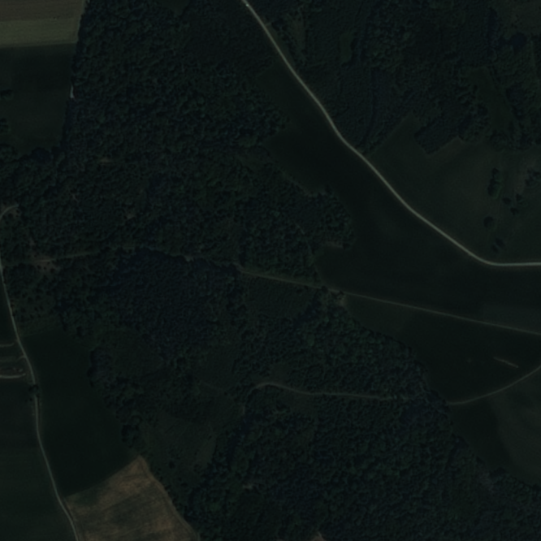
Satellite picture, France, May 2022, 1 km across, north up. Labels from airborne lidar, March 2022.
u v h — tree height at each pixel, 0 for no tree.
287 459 30
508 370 0
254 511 10
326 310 23
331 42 14
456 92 20
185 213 33
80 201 11
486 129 27
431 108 9
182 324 31
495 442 0
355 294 0
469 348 0
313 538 18
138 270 26
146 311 29
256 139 18
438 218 0
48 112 0
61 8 0
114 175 10
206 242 13
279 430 29
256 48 10
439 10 25
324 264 0
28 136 0
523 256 0
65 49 0
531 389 0
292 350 6
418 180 0
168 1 0
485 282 0
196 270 30
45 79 0
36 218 22
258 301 6
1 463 0
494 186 15
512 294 0
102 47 29
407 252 0
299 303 0
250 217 17
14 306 7
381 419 11
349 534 24
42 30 0
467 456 28
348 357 26
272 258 23
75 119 23
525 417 0
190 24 10
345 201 0
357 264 0
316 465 20
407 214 0
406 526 19
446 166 0
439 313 0
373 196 0
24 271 17
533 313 0
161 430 0
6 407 0
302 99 0
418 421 42
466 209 0
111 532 0
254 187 25
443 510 15
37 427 0
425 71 7
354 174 0
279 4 21
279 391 9
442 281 0
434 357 0
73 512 0
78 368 0
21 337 0
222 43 15
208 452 0
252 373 15
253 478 24
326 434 13
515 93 25
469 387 0
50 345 0
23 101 0
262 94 14
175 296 31
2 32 0
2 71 0
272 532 19
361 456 15
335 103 7
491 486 20
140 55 27
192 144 19
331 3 7
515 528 24
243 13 10
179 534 0
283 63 0
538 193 0
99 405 0
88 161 25
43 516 0
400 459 32
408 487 19
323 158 0
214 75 21
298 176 0
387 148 0
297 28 0
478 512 15
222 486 33
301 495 29
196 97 27
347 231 11
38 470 0
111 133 24
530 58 33
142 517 0
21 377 0
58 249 24
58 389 0
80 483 0
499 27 30
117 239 21
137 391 22
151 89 17
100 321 33
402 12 13
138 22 30
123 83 25
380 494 28
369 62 27
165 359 33
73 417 0
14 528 0
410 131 0
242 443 33
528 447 0
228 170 22
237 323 11
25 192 13
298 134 0
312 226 14
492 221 16
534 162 0
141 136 27
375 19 23
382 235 0
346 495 28
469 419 0
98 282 17
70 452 0
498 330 0
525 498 17
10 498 0
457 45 15
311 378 9
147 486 0
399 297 0
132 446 21
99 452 0
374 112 23
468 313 0
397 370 24
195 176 22
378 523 25
